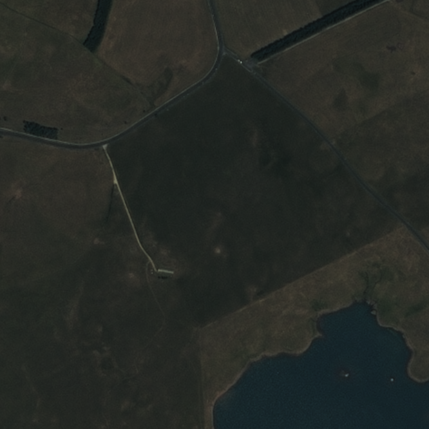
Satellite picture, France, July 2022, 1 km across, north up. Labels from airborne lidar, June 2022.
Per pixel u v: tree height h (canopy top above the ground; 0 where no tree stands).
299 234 0
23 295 0
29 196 0
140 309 0
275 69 0
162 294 0
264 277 0
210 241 0
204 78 0
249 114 0
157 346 0
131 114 0
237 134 0
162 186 0
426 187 0
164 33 0
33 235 0
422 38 0
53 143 0
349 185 0
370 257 0
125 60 0
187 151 0
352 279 0
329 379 0
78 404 0
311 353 0
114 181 0
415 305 0
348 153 0
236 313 0
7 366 0
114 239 0
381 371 0
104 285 0
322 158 0
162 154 0
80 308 0
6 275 0
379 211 0
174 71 0
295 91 0
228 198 0
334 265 0
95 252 0
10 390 0
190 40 0
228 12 0
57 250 0
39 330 0
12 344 0
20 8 0
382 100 0
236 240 0
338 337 0
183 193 0
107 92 0
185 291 0
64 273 0
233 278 0
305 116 0
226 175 0
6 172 0
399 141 0
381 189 0
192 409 0
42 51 0
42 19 0
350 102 0
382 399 0
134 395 0
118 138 0
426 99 0
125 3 0
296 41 17
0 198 0
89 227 0
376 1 16
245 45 0
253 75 0
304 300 0
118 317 0
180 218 0
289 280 0
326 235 0
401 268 0
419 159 0
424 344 0
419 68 0
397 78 0
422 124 0
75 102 0
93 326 0
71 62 0
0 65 0
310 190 0
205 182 0
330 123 0
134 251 0
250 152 0
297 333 0
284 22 0
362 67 0
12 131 0
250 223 0
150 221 0
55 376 0
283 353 0
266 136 0
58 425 0
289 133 0
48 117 0
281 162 0
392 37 0
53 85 0
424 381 0
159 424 0
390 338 0
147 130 0
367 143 0
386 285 0
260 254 0
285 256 0
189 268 0
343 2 0
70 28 0
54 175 0
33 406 0
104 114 0
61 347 0
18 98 0
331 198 0
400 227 0
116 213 0
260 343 0
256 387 0
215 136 0
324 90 0
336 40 0
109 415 0
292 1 0
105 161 0
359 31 0
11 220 0
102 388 0
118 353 0
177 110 0
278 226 0
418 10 0
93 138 0
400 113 0
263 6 0
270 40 0
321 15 0
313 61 0
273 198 0
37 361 0
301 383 0
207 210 0
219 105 0
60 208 0
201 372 0
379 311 0
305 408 0
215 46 0
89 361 0
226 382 0
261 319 0
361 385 0
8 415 0
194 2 0
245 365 0
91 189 0
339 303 0
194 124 0
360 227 0
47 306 0
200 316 0
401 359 0
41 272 0
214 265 0
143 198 0
